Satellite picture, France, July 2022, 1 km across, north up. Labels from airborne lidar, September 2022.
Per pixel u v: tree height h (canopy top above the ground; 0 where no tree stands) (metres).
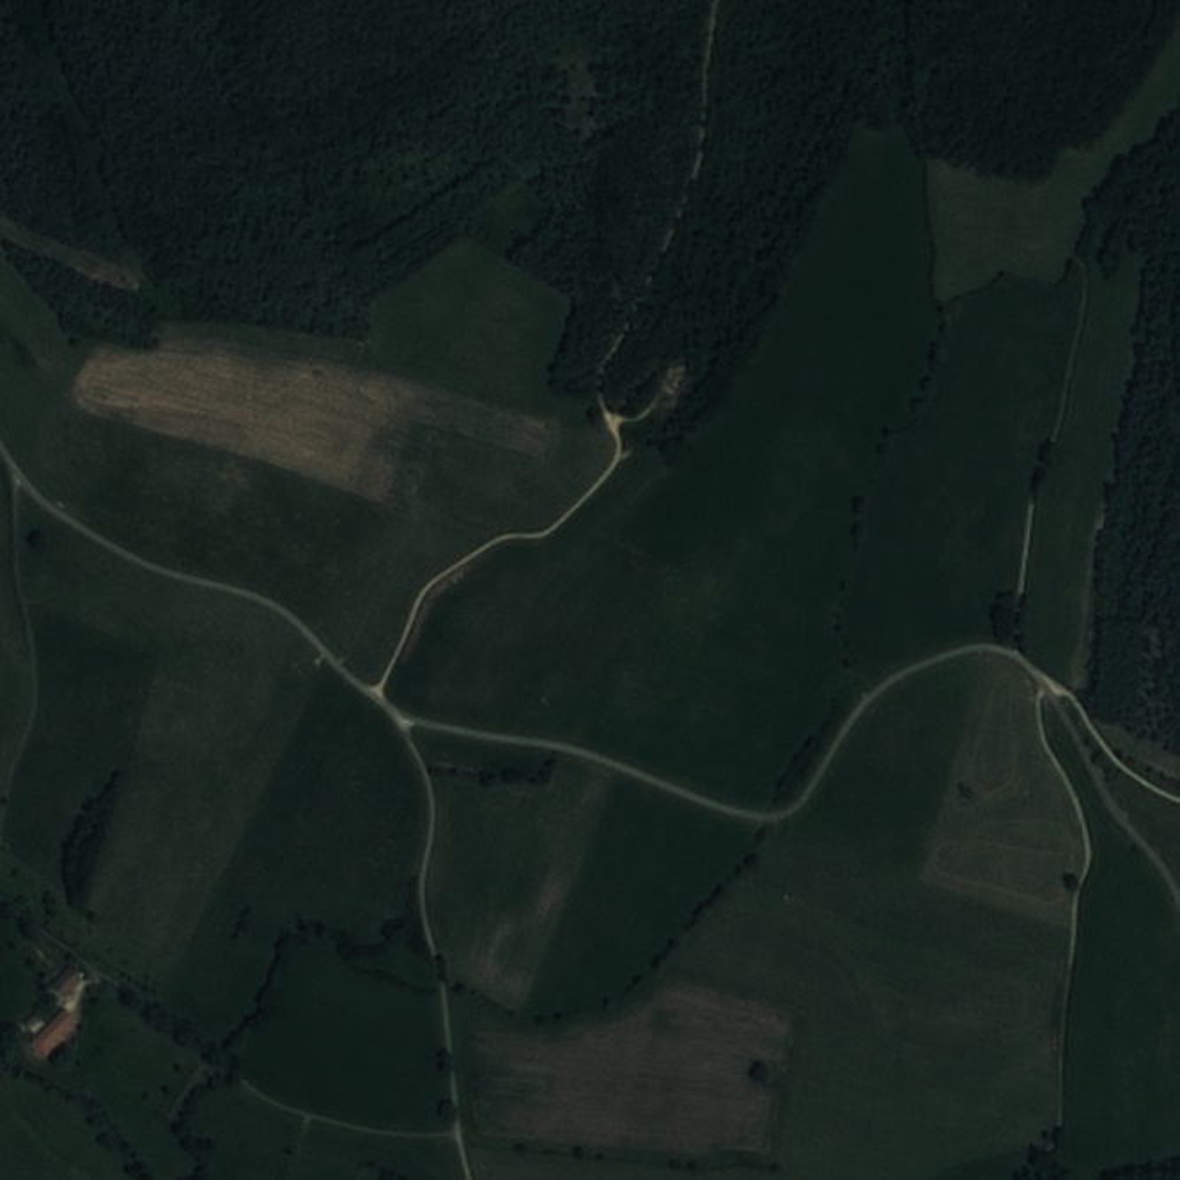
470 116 7
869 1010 0
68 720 0
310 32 16
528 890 0
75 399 0
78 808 0
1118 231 14
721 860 0
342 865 0
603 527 0
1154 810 0
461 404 0
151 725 0
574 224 27
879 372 0
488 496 0
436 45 13
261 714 0
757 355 23
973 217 0
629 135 18
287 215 17
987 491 0
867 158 0
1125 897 0
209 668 0
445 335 0
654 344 13
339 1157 0
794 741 0
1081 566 0
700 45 12
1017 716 0
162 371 0
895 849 0
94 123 11
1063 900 0
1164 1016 0
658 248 13
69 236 12
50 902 11
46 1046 0
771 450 0
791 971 0
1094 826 0
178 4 20
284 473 0
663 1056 0
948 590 0
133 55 20
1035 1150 8
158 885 0
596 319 16
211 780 0
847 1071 0
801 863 0
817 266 0
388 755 0
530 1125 0
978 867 0
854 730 0
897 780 0
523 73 14
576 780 0
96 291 17
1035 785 0
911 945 0
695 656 0
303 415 0
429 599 0
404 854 0
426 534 0
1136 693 12
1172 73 0
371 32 14
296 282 14
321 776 0
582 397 15
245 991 0
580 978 0
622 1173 0
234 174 15
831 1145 0
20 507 0
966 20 20
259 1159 0
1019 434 0
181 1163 0
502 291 0
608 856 0
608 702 0
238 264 21
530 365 0
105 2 22
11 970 0
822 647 0
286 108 16
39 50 8
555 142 17
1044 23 14
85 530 0
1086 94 20
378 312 0
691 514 0
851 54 21
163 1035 26
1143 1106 0
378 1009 0
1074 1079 0
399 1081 0
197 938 0
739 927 0
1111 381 0
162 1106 0
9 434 0
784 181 9
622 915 0
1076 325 0
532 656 0
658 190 19
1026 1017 0
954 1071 0
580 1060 0
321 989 0
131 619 0
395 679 0
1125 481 8
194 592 0
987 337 0
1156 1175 22
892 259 0
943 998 0
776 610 0
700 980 0
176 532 0
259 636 0
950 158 19
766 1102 0
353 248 10
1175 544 15
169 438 0
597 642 0
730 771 0
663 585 0
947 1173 0
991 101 14
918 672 0
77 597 0
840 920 0
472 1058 0
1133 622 16
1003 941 0
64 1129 0
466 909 0
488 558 0
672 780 0
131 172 14
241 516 0
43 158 13
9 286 0
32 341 0
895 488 0
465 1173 0
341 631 0
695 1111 0
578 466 0
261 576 0
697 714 0
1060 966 0
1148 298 12
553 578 0
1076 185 0
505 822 0
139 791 0
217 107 22
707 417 15
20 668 0
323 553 0
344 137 13
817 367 0
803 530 0
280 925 0
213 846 0
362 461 0
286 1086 0
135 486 0
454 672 0
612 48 17
